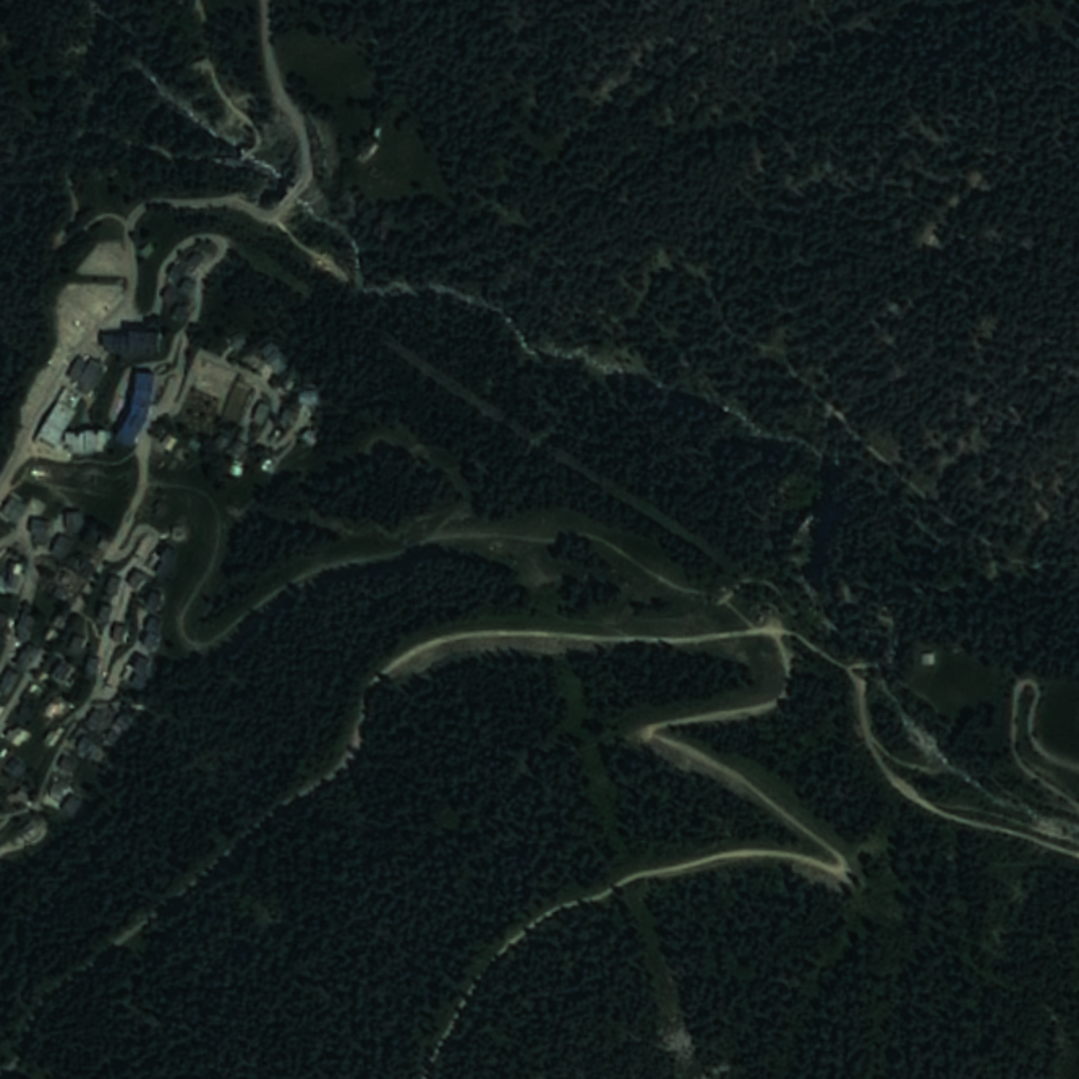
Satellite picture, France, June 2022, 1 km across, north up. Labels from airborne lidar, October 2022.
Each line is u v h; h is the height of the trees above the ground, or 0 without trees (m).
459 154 17
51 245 14
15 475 0
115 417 0
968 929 8
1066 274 26
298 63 0
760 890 7
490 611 14
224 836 7
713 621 0
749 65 18
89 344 0
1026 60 24
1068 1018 33
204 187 27
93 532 16
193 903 9
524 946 10
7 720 0
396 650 21
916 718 19
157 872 29
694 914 8
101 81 20
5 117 17
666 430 28
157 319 14
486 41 25
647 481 8
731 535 24
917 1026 28
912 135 7
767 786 0
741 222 29
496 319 17
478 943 8
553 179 24
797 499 5
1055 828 0
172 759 20
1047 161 28
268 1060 13
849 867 0
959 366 17
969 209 26
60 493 0
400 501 25
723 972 9
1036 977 17
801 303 34
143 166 28
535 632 0
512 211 21
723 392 18
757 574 10
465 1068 17
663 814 34
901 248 25
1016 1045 26
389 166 0
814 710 24
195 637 0
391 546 0
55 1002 17
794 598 8
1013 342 10
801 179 15
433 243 30
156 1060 19
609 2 13
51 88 17
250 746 24
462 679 16
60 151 14
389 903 21
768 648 0
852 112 14
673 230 22
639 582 0
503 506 24
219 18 9
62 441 0
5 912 10
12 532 0
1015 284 20
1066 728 0
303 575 0
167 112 18
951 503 23
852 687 10
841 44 9
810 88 20
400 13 22
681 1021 0
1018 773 8
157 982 10
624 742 8
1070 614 31
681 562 22
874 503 30
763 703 0
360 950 9
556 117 16
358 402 15
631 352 11
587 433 25
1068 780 0
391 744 16
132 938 0
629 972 18
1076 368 22
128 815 14
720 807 13
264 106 17
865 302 33
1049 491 21
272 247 7
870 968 11
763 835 12
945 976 9
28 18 23
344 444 20
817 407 14
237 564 8
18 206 17
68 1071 18
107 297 0
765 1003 10
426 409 17
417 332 9
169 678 21
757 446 8
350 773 9
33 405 0
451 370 9
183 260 9
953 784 8
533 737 18
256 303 15
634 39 11
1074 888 16
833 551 27
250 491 0
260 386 0
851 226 21
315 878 19
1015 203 14
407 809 25
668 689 19
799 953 14
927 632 25
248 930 21
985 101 23
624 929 7
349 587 25
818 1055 11
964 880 12
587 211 26
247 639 14
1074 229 18
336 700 16
